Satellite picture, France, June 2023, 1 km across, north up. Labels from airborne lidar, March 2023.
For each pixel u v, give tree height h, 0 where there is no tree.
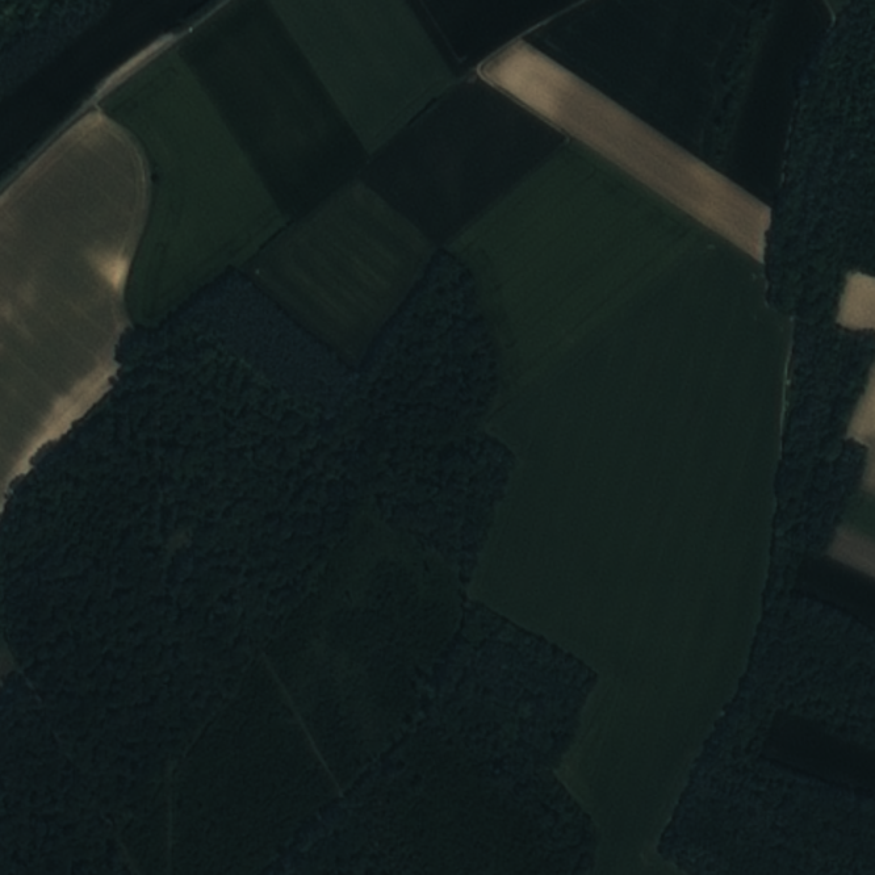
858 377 18
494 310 0
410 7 0
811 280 24
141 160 0
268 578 16
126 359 19
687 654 0
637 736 0
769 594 15
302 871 19
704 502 0
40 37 21
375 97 0
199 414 22
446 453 21
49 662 23
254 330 18
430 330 19
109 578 26
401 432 24
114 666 27
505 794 8
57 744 31
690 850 17
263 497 22
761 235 0
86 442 22
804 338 15
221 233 0
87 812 27
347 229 0
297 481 10
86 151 0
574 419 0
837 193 10
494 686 23
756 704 19
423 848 11
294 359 18
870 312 0
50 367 0
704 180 0
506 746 18
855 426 0
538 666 16
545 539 0
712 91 0
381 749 0
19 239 0
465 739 24
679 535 0
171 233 0
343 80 0
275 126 0
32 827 30
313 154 0
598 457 0
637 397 0
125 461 22
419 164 0
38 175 0
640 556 0
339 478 24
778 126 0
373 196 0
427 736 9
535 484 0
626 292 0
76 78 0
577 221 0
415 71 0
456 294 9
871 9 14
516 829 11
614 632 0
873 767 0
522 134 0
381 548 0
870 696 24
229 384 23
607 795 0
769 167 0
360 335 0
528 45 0
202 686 26
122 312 0
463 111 0
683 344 0
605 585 0
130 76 0
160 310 0
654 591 0
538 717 22
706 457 0
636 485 0
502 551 0
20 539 13
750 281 0
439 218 0
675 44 0
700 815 20
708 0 0
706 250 0
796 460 16
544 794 10
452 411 26
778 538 13
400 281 0
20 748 29
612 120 0
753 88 0
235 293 18
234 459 26
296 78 0
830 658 18
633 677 0
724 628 0
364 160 0
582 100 0
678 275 0
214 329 20
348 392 22
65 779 27
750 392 0
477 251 0
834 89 16
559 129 0
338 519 23
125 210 0
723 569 0
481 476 21
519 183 0
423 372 24
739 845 21
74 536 14
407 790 11
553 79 0
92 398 0
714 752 20
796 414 12
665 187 0
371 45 0
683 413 0
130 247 0
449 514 25
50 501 13
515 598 0
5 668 0
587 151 0
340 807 21
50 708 28
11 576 18
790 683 15
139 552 24
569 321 0
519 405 0
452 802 9
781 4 0
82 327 0
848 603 0
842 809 22
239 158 0
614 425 0
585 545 0
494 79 0
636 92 0
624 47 0
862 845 28
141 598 23
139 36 0
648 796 0
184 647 26
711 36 0
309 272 0
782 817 16
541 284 0
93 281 0
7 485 0
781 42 0
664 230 0
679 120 0
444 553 26
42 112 0
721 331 0
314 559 22
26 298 0
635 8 0
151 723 29
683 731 0
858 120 11
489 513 17
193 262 0
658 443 0
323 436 21
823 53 16
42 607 27
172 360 24
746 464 0
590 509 0
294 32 0
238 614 24
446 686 24
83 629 28
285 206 0
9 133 0
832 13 0
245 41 0
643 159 0
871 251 8
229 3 0
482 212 0
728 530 0
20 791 29
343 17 0
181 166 0
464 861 10
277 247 0
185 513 20
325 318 0
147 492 21
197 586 27
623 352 0
